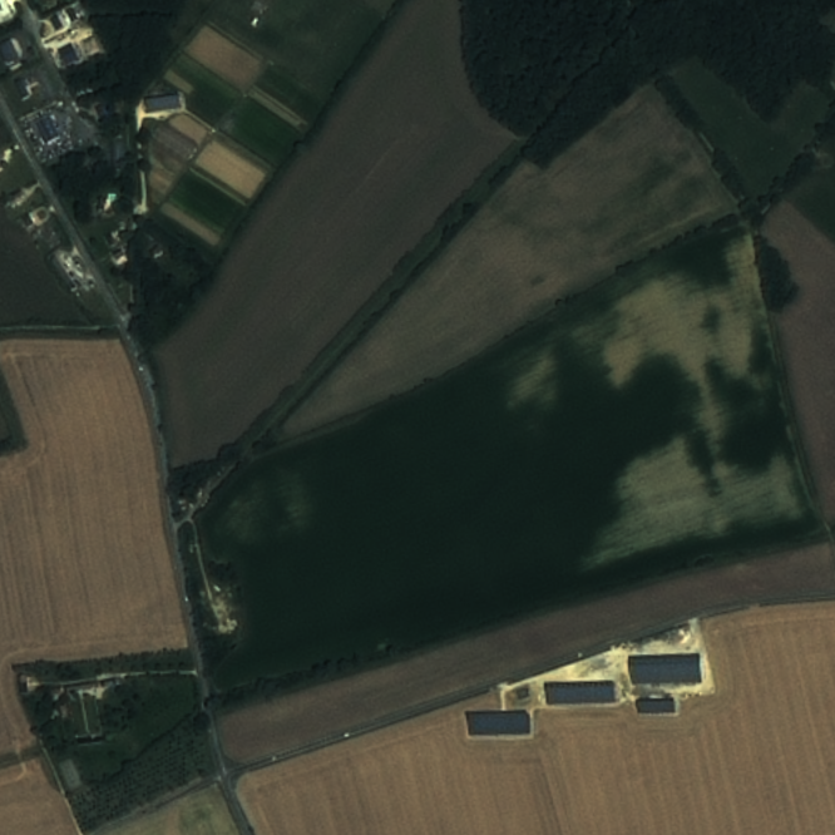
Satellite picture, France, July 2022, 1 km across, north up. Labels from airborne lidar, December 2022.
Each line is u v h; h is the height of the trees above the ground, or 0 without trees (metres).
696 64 0
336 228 0
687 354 0
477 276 0
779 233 0
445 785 0
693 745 0
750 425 0
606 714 0
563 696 0
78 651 0
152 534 0
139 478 0
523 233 0
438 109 0
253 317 0
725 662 0
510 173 11
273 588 0
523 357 0
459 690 0
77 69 14
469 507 0
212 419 0
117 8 16
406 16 0
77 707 0
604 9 24
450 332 0
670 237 0
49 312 0
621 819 0
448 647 0
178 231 0
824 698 0
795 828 0
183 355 0
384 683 0
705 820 0
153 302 16
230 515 0
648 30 20
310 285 0
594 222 0
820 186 0
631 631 0
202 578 0
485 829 0
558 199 0
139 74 21
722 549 0
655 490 0
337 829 0
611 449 0
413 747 0
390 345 0
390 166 0
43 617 0
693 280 0
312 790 0
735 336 0
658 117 0
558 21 26
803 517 0
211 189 0
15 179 0
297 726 0
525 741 0
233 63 0
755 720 0
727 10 22
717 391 0
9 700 0
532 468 0
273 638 0
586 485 0
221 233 0
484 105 12
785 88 22
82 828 7
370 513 0
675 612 0
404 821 0
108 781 6
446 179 0
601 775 0
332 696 0
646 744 0
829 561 0
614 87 17
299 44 0
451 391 0
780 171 0
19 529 0
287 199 0
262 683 15
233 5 0
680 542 0
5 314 0
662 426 0
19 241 0
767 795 0
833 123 12
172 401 0
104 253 0
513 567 0
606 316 0
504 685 0
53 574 0
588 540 0
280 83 0
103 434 0
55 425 0
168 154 0
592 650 0
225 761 0
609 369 0
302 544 0
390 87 0
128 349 0
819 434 0
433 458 0
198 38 0
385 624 0
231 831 0
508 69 21
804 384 0
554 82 24
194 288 9
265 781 0
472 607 0
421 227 0
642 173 0
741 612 0
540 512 0
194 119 0
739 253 0
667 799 0
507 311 0
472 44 14
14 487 0
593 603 0
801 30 25
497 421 0
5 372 0
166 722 0
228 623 0
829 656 0
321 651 0
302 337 0
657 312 0
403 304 0
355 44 0
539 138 13
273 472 0
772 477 0
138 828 0
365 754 0
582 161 0
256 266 0
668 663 0
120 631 0
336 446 0
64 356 0
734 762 0
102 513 0
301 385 0
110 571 0
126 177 13
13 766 0
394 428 0
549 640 0
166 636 0
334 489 0
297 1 0
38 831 0
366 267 0
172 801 0
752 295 0
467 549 0
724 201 0
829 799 0
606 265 0
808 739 0
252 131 0
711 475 0
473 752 0
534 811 0
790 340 0
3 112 0
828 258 0
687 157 0
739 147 0
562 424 0
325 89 0
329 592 0
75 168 20
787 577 0
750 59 20
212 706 21
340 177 0
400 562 0
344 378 0
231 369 0
